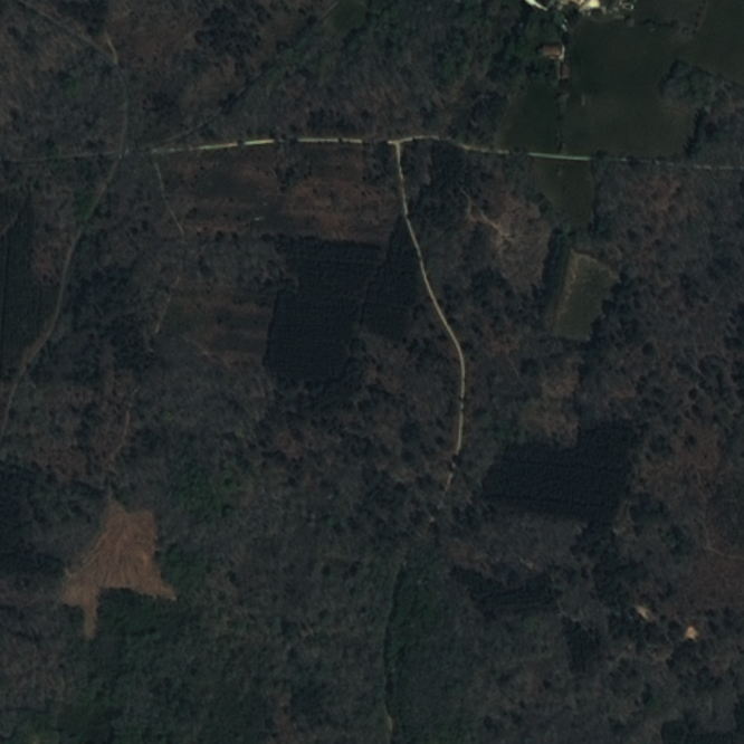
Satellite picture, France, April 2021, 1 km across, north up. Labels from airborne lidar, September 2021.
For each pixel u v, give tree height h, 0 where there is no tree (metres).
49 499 17
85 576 0
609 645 8
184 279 7
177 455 16
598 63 0
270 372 10
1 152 11
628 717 11
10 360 9
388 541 26
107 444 12
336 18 0
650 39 0
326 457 14
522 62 15
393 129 18
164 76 9
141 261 9
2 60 17
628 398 6
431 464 27
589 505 13
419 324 16
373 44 16
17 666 19
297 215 7
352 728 23
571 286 0
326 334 10
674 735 14
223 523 14
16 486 18
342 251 19
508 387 11
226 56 21
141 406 12
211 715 6
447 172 13
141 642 22
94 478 21
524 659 15
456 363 10
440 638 20
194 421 16
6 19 17
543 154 0
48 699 13
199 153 14
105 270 11
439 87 19
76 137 7
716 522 6
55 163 10
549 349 14
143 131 7
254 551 9
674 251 13
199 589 20
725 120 19
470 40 16
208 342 9
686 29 7
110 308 28
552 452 11
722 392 8
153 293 9
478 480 16
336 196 10
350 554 19
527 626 23
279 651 11
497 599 14
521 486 14
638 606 10
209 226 6
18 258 11
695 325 13
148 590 0
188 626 7
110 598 14
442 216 14
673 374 13
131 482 14
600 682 22
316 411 25
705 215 18
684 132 0
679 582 7
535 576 11
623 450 14
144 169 11
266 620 17
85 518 25
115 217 7
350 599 17
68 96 24
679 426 17
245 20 17
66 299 9
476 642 16
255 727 9
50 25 18
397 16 20
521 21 8
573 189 0
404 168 12
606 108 0
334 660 18
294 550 16
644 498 6
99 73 18
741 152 21
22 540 16
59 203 10
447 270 12
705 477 7
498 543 11
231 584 11
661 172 9
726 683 14
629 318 21
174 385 13
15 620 20
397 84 18
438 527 9
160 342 11
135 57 9
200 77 20
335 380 10
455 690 20
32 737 19
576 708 14
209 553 14
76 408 9
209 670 20
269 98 14
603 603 18
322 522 11
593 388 8
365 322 12
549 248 0
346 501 20
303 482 28
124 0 17
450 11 16
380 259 14
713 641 8
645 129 0
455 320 16
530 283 0
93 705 14
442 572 22
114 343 8
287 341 11
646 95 0
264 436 31
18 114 12
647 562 8
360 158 8
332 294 11
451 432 12
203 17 17
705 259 17
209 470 11
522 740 12
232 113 24
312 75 12
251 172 9
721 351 8
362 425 12
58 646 21
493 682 12
